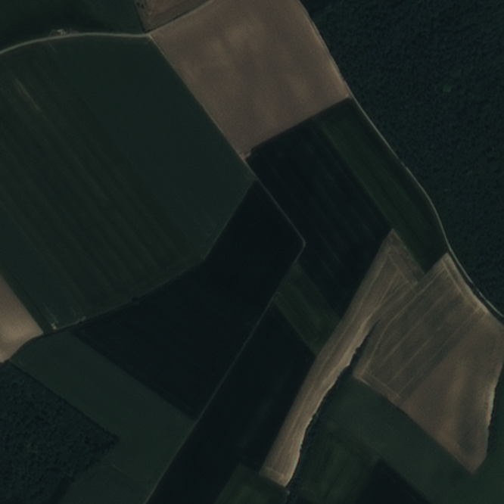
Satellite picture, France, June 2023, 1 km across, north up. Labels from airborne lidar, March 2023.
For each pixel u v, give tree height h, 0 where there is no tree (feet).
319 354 0
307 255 0
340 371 0
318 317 0
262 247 0
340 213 0
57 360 0
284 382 0
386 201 0
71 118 0
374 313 0
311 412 0
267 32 0
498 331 0
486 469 0
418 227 0
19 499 0
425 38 44
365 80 23
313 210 0
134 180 0
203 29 0
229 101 0
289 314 0
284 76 0
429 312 0
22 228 0
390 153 0
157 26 0
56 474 50
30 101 0
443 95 33
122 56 0
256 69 0
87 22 0
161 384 0
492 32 33
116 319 0
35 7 0
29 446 28
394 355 0
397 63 45
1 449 74
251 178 0
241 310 0
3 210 0
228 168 0
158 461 0
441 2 50
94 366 0
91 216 0
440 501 0
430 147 55
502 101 65
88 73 0
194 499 0
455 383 0
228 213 0
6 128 0
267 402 0
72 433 62
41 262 0
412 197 0
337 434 0
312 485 0
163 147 0
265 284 0
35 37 0
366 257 0
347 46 29
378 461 0
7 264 0
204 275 0
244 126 0
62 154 0
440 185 36
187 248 0
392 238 0
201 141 0
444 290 0
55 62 0
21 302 0
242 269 0
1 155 0
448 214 23
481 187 30
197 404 0
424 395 0
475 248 23
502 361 0
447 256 0
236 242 0
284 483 0
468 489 0
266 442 0
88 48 0
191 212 0
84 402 0
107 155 0
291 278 0
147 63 0
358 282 0
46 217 0
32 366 0
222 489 0
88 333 0
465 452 0
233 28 0
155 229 0
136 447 0
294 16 0
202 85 0
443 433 0
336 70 0
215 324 0
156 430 0
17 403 64
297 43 0
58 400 51
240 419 0
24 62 0
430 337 0
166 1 0
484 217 26
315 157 0
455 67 62
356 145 0
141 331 0
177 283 0
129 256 0
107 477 0
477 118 51
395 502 0
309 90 0
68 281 0
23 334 0
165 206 0
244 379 0
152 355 0
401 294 0
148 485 0
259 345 0
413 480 0
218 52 0
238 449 0
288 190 0
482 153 34
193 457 0
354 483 0
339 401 0
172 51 0
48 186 0
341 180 0
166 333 0
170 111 0
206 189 0
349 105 0
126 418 0
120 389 0
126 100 0
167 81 0
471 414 0
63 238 0
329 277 0
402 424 0
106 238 0
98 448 68
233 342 0
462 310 0
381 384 0
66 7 0
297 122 0
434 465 0
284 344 0
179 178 0
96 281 0
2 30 0
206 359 0
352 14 53
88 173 0
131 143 0
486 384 0
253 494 0
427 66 31
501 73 45
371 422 0
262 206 0
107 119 0
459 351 0
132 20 0
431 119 40
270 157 0
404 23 54
